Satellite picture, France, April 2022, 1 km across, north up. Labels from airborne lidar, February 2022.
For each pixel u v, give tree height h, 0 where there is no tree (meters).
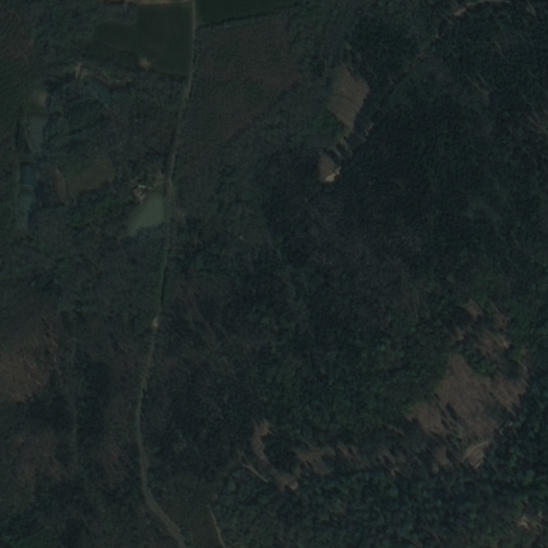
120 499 13
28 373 14
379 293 20
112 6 19
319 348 23
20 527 19
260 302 18
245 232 11
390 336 17
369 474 15
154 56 0
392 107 21
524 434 16
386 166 24
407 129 21
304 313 22
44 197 25
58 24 26
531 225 19
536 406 20
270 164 19
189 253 18
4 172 8
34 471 19
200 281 13
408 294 19
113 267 30
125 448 17
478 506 27
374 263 23
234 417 27
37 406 15
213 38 14
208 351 12
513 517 31
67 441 18
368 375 23
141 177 17
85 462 12
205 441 15
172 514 11
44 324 6
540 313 20
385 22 26
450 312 21
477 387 0
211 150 15
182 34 0
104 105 14
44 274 26
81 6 30
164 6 0
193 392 25
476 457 0
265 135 25
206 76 13
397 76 26
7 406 18
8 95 8
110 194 24
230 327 15
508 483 38
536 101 20
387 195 24
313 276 20
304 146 17
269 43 12
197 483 16
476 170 24
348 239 18
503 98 25
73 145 16
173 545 23
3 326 13
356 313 29
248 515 22
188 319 14
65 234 27
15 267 24
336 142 20
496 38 25
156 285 21
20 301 13
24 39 6
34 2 17
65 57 26
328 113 20
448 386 0
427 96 19
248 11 0
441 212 24
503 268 22
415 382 24
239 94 12
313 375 21
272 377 20
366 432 23
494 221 22
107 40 0
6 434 11
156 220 0
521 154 21
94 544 17
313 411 28
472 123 28
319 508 23
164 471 15
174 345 19
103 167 0
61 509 19
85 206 24
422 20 25
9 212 20
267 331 13
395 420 22
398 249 21
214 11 0
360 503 25
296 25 28
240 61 11
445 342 25
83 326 10
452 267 17
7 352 10
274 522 28
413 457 21
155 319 0
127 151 27
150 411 14
